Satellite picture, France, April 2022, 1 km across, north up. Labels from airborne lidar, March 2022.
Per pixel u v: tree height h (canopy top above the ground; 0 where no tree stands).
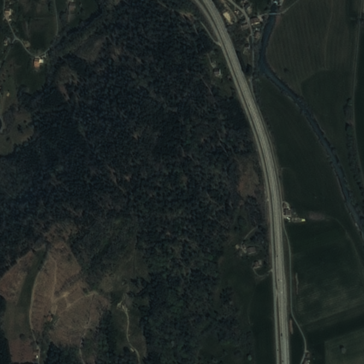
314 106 0
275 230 0
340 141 0
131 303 0
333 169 10
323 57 0
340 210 0
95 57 0
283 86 0
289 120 0
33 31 0
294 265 0
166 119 18
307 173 0
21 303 0
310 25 0
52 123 11
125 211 16
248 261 8
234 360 0
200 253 17
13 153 0
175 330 31
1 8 0
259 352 0
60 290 0
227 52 0
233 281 0
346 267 0
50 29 0
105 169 22
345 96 0
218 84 0
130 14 22
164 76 18
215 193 27
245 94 0
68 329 0
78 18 0
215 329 22
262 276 0
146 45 26
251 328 0
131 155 16
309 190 0
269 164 0
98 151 24
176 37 17
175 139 15
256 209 21
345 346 0
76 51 0
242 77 0
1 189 18
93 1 0
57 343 0
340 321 0
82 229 6
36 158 16
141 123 18
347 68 0
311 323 0
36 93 0
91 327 0
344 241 0
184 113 25
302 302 0
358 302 0
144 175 18
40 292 0
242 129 20
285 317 0
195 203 32
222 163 32
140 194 32
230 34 15
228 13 0
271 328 0
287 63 0
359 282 0
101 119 9
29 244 9
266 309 0
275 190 0
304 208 0
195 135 18
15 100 0
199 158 27
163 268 22
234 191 27
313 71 0
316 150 0
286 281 0
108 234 21
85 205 15
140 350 0
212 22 0
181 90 16
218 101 21
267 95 0
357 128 0
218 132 13
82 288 0
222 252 11
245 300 0
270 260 12
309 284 0
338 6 0
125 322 0
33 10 0
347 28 0
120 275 0
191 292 26
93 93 17
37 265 0
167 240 18
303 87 0
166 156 24
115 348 9
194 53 21
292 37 0
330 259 0
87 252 23
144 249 17
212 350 0
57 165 16
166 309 33
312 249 0
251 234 0
